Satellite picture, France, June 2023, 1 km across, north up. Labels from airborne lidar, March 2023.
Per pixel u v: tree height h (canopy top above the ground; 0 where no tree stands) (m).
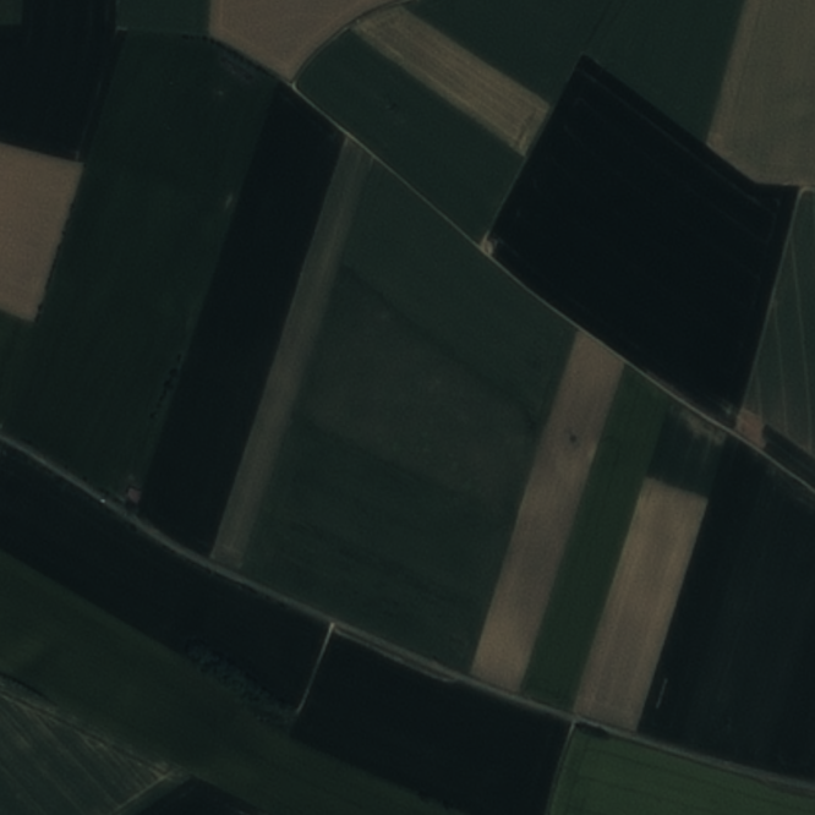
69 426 0
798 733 0
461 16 0
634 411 0
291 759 0
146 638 0
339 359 0
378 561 0
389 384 0
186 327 0
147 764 0
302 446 0
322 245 0
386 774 0
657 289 0
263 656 0
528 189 0
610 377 0
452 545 0
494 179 0
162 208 0
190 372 0
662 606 0
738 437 0
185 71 0
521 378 0
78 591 0
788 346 0
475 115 0
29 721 0
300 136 0
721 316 0
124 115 0
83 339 0
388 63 0
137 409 0
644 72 0
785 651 0
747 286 0
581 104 0
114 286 0
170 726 0
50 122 0
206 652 16
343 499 0
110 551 0
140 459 0
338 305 0
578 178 0
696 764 0
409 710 0
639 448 0
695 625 0
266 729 0
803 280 0
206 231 0
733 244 0
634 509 0
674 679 0
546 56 0
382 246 0
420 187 0
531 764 0
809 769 0
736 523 0
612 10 0
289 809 0
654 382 0
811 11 0
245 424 0
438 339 0
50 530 0
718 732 0
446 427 0
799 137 0
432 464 0
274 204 0
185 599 0
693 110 0
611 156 0
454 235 0
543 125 0
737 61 0
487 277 0
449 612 0
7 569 0
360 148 0
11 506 0
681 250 0
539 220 0
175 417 0
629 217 0
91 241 0
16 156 0
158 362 0
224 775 0
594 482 0
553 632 0
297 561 0
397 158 0
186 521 0
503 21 0
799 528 0
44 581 0
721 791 0
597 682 0
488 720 0
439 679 0
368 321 0
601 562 0
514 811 0
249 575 0
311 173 0
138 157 0
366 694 0
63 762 0
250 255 0
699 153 0
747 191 0
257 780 0
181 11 0
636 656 0
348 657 0
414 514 0
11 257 0
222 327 0
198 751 0
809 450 0
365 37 0
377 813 0
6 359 0
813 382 0
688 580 0
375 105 0
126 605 0
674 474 0
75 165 0
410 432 0
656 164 0
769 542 0
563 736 0
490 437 0
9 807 0
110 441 0
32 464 6
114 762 0
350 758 0
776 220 0
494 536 0
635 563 0
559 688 0
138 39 0
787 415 0
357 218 0
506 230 0
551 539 0
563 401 0
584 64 0
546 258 0
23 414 0
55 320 0
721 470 0
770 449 0
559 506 0
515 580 0
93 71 0
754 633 0
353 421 0
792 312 0
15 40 0
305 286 0
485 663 0
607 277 0
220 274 0
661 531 0
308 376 0
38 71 0
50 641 0
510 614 0
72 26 0
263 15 0
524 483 0
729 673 0
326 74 0
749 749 0
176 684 0
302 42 0
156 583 0
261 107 0
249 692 18
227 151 0
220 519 0
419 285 0
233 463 0
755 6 0
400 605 0
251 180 0
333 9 0
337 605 0
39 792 0
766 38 0
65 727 0
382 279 0
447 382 0
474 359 0
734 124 0
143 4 0
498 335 0
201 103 0
